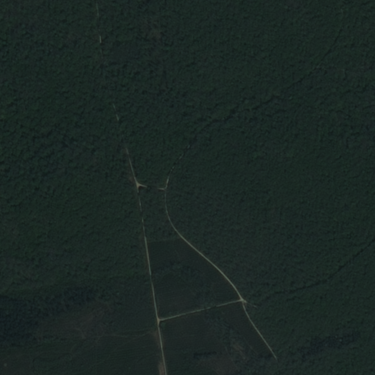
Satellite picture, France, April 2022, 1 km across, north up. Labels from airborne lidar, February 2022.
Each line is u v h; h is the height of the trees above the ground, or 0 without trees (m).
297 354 27
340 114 24
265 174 19
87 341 9
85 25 21
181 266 18
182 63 22
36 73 23
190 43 21
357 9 23
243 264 20
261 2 22
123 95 25
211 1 24
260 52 22
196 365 8
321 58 21
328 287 23
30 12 28
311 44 23
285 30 22
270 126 24
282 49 21
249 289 25
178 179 19
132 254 24
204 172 19
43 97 23
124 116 22
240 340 21
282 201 21
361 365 22
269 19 24
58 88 21
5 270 29
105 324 9
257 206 21
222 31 21
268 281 27
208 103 22
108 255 28
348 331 29
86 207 22
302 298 23
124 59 21
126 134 18
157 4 24
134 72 27
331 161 23
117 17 25
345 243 20
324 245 24
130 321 15
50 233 20
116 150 22
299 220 28
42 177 12
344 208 21
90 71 25
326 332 22
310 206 20
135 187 20
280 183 21
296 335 24
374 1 29
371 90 27
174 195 19
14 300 14
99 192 20
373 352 25
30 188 29
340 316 26
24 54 26
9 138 22
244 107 25
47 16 28
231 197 22
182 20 21
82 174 26
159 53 25
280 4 25
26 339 29
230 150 19
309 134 22
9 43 26
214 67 20
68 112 22
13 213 26
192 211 21
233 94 22
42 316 34
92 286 16
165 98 24
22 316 28
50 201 20
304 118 23
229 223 21
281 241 25
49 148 24
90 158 27
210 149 23
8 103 28
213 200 24
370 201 22
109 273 25
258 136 22
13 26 27
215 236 21
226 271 20
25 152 24
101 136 22
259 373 25
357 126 26
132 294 10
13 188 29
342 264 18
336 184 19
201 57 22
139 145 22
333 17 22
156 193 20
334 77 25
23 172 30
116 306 17
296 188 21
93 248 24
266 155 23
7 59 23
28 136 27
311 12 21
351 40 20
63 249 28
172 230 22
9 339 30
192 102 26
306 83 24
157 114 22
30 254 19
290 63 19
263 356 6
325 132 21
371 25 25
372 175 24
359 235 18
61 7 23
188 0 23
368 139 24
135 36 26
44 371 6
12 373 0
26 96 25
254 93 20
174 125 24
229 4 25
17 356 0
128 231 27
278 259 22
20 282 28
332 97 22
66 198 23
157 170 21
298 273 23
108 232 22
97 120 21
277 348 24
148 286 16
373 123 22
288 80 21
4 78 25
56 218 23
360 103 26
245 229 19
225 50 21
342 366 22
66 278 27
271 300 20
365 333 23
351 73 25
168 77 27
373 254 21
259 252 21
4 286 31
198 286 26
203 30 20
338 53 22
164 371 0
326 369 22
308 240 24
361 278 23
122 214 23
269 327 26
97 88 28
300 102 19
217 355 10
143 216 20
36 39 29
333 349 24
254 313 26
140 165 19
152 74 21
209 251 20
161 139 22
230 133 22
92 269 29
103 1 28
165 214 16
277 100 27
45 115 25
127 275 13
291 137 25
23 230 25
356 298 27
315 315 25
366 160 21
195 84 19
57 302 26
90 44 23
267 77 20
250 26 25
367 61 21
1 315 28
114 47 18
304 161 22
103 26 26
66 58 23
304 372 22
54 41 21
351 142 24
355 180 22
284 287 22
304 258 25
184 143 20
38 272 30
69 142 23
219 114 26
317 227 23
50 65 25
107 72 30
